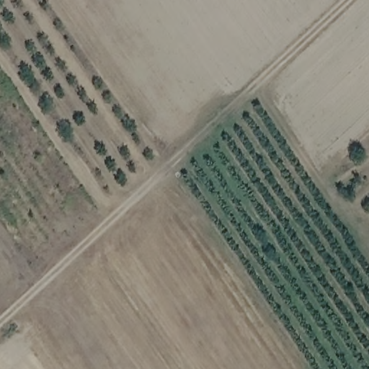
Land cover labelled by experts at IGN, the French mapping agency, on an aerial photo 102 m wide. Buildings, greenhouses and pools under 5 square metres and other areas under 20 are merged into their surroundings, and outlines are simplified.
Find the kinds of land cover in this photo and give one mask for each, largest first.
<instances>
[{"label":"agricultural land","instance_id":"1","mask_svg":"<svg viewBox=\"0 0 369 369\"><path fill-rule=\"evenodd\" d=\"M333 0H48L49 6L55 10L56 16L68 30V35L75 40V45L94 66L97 75L110 89L112 97L117 99L121 110L134 120L140 138L150 148L151 153L159 151V160L164 163L195 135L190 128L196 123L200 108L210 101V98L232 94L241 88L262 65L270 61L278 50L283 49L311 20L316 19ZM277 108L287 115L288 124L306 147L313 163L321 166L327 163L329 156L336 153L340 154L342 159L349 154V144L355 141L369 125V0H359L303 55L298 56L278 79ZM241 125L235 123L234 115L228 114L225 123L216 125L212 134L196 144L190 160L186 159L180 163V174H186V170L192 166V161L209 160L210 157L213 161L219 160L215 148H219L226 134L234 137ZM17 232H10L7 225H0V314L42 277L39 272L30 270L25 255L14 248ZM16 324L9 323L0 330V369H62L50 355L48 346L40 339V330L26 321L22 332L14 333Z\"/></svg>","mask_w":369,"mask_h":369},{"label":"plowed land","instance_id":"2","mask_svg":"<svg viewBox=\"0 0 369 369\"><path fill-rule=\"evenodd\" d=\"M26 321L40 330V339L48 346L50 355L62 369H311L310 363L298 349L290 332L285 329L283 320L275 314L274 308L265 300L264 294L259 291L258 285L239 261L234 249L223 238L221 229L215 222L210 221L202 203L193 195L190 187L184 184L182 174H180L176 179L157 183L143 199L138 200L133 208L127 210L120 221L99 236L84 254L79 255L48 287L43 288L33 300H30L9 323L16 324L14 333L22 332Z\"/></svg>","mask_w":369,"mask_h":369},{"label":"deciduous trees","instance_id":"3","mask_svg":"<svg viewBox=\"0 0 369 369\"><path fill-rule=\"evenodd\" d=\"M26 50L30 58L49 81L53 75L49 66L37 52L35 45H30ZM19 76L33 94L40 88V84L33 76L32 69L27 68ZM68 84L75 89L82 104L95 114V102L89 99L84 86L79 85L75 76L68 74ZM92 85L101 92L102 99L110 105L115 117L131 135L134 143L137 144L140 138L134 120L121 110L117 99L112 97L110 89L97 75L92 76ZM255 111L264 120L272 137L280 144L281 150L291 161L295 172L303 179L310 193L304 195L301 192L290 170L285 169L283 160L275 153L270 140L249 115L241 125L234 137L226 134L219 148H215L219 160L213 161L210 157L209 160L192 161V166L186 170V174H182L184 184L190 187L193 195L202 203L210 221L215 222L221 229L223 238L234 249L239 261L258 285L259 291L264 294L265 300L274 308L275 314L283 320L285 329L290 332L298 349L310 363L311 369H369V262L357 248L349 228L333 212L332 206L321 195L319 187L310 176L272 123L268 112L261 104L254 105ZM353 161L360 163L365 160V148L359 141H355L349 144V154ZM360 183V179L359 173L355 172L347 184L336 183L337 193L344 199H355V187Z\"/></svg>","mask_w":369,"mask_h":369},{"label":"herbaceous vegetation","instance_id":"4","mask_svg":"<svg viewBox=\"0 0 369 369\"><path fill-rule=\"evenodd\" d=\"M30 45H35L37 52L49 66L53 75L49 81L30 58L26 50ZM0 66L17 86L36 120L45 128L50 140L58 148L79 182L84 184L89 195L97 202L98 213L102 219L118 208L154 173H164V163L159 160V151L151 153L150 148L140 138L137 144L134 143L131 135L115 117L110 105L102 99L101 92L92 85V76L97 75L94 66L75 45V40L68 35V30L56 16L55 10L49 6L48 0H0ZM27 68L32 69L33 76L40 84V88L33 94L19 76ZM68 74L75 76L79 85L84 86L89 99L95 102V114L82 104L75 89L68 84ZM249 115L270 140L275 153L283 160L285 169L290 170L301 192L304 195L310 193L303 179L295 172L291 161L281 150L280 144L272 137L264 120L255 111ZM355 141H359L365 148V160L360 163L353 161L349 154L342 159L340 154L336 153L329 156L327 163L321 166V170H314L310 176L319 187L321 195L332 206L333 212L349 228L357 248L369 262V125ZM355 172L359 173L360 179V183L355 187V199H344L337 193L336 183L347 184Z\"/></svg>","mask_w":369,"mask_h":369},{"label":"vineyard","instance_id":"5","mask_svg":"<svg viewBox=\"0 0 369 369\"><path fill-rule=\"evenodd\" d=\"M102 219L98 213L97 202L89 195L84 184L79 182L58 148L50 140L45 128L36 120L17 86L0 66V225H7L10 232H17L14 248L25 255L30 270L39 272L42 277Z\"/></svg>","mask_w":369,"mask_h":369},{"label":"pervious surface","instance_id":"6","mask_svg":"<svg viewBox=\"0 0 369 369\"><path fill-rule=\"evenodd\" d=\"M359 0H333L316 19L311 20L283 49L278 50L270 61L262 65L241 88L232 94L210 98V101L200 108L196 123L190 128L195 135L164 163V173H154L118 208L102 219L42 277L0 314V330L9 323L30 300H33L43 288L48 287L79 255L84 254L99 236L120 221L127 210L133 208L138 200L143 199L157 183L176 179L180 174V163L186 159L190 160L196 144L212 134L216 125L225 123L228 114L234 115L235 123L241 125L249 115L255 111L254 105L261 104L268 112L272 123L310 176L314 170H321V166L313 163L306 147L288 124L287 115L277 108L278 79L298 56L303 55Z\"/></svg>","mask_w":369,"mask_h":369}]
</instances>
